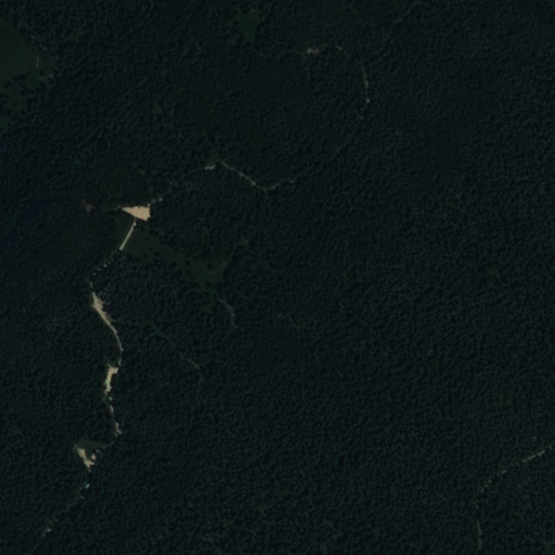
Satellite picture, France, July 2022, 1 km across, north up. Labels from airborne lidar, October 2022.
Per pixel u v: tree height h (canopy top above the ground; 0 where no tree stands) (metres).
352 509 18
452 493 14
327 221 18
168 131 11
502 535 26
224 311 19
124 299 27
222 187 13
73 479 29
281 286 27
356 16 22
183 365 27
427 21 25
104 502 29
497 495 7
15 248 23
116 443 11
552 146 23
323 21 21
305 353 13
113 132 26
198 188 18
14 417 24
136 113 14
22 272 17
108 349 22
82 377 20
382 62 20
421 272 20
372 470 23
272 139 25
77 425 24
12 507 25
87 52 34
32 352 24
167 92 16
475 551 9
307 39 18
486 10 25
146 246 0
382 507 13
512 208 22
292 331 22
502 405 7
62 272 21
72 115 27
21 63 0
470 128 17
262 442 22
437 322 18
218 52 22
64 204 22
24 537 16
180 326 27
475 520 18
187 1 28
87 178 16
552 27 21
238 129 19
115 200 17
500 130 14
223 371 26
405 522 21
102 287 8
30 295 18
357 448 21
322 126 23
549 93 22
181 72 19
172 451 22
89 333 22
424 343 22
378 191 20
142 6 30
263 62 20
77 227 17
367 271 29
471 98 20
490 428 19
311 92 24
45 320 25
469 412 18
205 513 22
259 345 19
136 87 28
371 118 22
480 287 14
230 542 17
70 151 27
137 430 26
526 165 9
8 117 6
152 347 26
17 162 20
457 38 24
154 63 28
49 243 18
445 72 21
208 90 23
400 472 21
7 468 34
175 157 20
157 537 22
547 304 8
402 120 18
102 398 24
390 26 23
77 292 21
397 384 22
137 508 22
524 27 20
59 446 22
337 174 25
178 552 27
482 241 24
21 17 22
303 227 26
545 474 14
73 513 17
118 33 27
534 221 13
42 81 0
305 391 21
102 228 16
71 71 26
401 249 13
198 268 0
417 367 16
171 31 32
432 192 14
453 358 24
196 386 22
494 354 21
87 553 24
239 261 25
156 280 28
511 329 17
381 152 16
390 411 18
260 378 21
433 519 21
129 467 29
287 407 24
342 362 18
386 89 21
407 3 11
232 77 27
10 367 30
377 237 18
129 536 16
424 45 22
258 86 20
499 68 18
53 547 23
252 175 23
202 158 27
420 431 22
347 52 17
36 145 25
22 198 30
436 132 21
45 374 27
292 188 23
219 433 29
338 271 16
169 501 25
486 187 18
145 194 23
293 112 25
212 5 13
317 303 22
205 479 16
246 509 18
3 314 10
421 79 19
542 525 24
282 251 25
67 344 25
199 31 19
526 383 20
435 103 18
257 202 12
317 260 18
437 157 27
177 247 16
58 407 9
